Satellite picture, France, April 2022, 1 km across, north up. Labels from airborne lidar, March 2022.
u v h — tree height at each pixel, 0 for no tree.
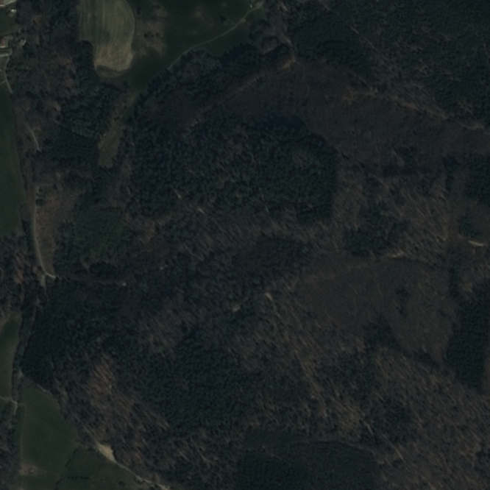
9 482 24
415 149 8
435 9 9
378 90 13
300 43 15
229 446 26
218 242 28
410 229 27
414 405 26
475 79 15
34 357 17
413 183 14
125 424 24
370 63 16
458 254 12
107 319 11
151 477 23
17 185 0
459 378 17
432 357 18
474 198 21
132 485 0
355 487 15
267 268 9
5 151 0
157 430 20
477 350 23
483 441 26
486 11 12
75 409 25
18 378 15
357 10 7
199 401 31
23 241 17
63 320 10
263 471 22
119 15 0
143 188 27
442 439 25
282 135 24
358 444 18
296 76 8
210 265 7
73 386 10
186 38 0
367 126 7
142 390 25
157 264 6
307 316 27
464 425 22
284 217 20
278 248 9
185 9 0
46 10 12
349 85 11
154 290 8
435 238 27
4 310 19
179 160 29
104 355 33
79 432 18
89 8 0
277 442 15
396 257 25
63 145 22
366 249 23
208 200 25
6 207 0
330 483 20
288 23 26
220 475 24
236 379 22
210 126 7
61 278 13
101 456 8
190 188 26
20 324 0
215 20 0
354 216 23
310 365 24
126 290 8
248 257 9
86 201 10
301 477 27
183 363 22
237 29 0
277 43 24
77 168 37
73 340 16
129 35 0
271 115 9
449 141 15
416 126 6
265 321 20
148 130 27
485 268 23
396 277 19
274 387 23
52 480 0
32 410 0
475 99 10
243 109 11
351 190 22
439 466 28
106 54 0
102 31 0
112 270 12
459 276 26
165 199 27
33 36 23
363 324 14
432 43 7
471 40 9
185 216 23
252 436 16
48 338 12
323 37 15
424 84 7
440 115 22
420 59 7
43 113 32
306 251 30
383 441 25
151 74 0
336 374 23
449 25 10
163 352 25
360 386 24
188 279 6
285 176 23
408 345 19
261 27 18
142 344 27
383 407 21
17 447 22
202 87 22
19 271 34
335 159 17
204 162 28
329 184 23
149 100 14
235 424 24
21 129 0
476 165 11
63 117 8
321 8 8
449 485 28
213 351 22
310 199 17
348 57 17
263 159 29
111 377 27
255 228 32
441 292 24
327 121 7
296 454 20
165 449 26
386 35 6
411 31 7
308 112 7
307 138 32
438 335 20
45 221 0
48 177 31
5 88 0
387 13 9
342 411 20
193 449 17
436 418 26
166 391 25
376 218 24
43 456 0
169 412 27
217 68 20
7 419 21
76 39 21
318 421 19
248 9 0
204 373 25
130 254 7
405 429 22
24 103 32
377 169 9
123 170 29
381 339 18
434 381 30
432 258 28
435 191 26
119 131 0
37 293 19
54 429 0
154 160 29
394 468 14
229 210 28
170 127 13
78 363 31
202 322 26
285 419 22
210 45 0
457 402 28
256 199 25
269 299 23
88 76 27
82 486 0
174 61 0
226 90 12
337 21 14
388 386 23
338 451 21
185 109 11
